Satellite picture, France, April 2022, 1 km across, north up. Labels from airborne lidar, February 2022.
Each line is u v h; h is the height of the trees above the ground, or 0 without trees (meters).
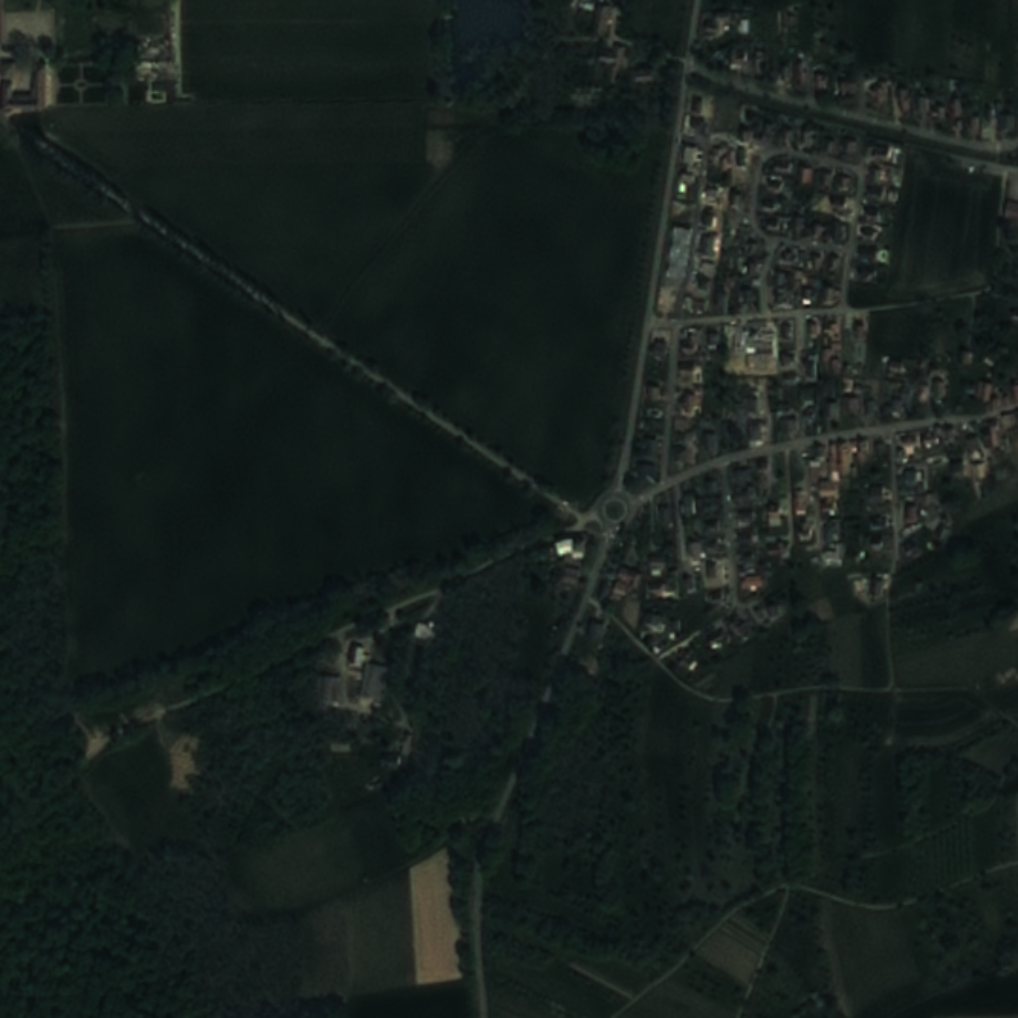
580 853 6
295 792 12
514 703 22
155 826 0
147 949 27
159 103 0
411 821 23
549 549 10
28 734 25
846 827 0
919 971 0
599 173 0
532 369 0
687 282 0
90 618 0
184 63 0
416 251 0
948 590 7
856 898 7
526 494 10
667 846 0
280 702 20
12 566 19
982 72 0
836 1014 23
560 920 7
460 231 0
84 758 16
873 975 0
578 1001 0
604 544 0
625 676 17
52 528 23
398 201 0
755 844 20
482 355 0
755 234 0
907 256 0
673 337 0
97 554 0
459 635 21
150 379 0
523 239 0
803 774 19
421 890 0
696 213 0
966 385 10
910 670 0
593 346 0
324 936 0
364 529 0
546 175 0
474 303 0
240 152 0
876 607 0
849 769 0
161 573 0
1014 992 0
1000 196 0
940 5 0
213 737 7
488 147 0
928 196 0
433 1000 0
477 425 0
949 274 0
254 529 0
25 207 0
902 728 0
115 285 0
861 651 0
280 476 0
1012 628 0
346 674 0
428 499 0
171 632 0
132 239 0
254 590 0
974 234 0
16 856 24
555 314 0
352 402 0
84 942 30
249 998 24
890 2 0
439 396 0
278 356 0
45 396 24
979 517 0
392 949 0
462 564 20
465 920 19
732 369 0
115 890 22
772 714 0
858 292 0
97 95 0
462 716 18
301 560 0
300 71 0
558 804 16
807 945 0
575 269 0
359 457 0
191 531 0
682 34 0
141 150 0
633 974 0
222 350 0
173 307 0
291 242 0
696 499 8
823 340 0
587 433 0
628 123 24
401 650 8
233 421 0
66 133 0
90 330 0
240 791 12
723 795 21
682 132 0
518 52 22
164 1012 28
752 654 0
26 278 0
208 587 0
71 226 0
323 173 0
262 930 20
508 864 0
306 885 0
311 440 0
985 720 0
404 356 0
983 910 0
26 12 0
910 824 12
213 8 0
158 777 0
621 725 8
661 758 0
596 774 16
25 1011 27
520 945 9
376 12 0
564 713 23
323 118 0
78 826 24
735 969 0
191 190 0
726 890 10
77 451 0
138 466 0
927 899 10
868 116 0
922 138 0
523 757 0
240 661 22
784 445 0
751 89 0
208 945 24
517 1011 0
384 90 0
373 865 0
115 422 0
